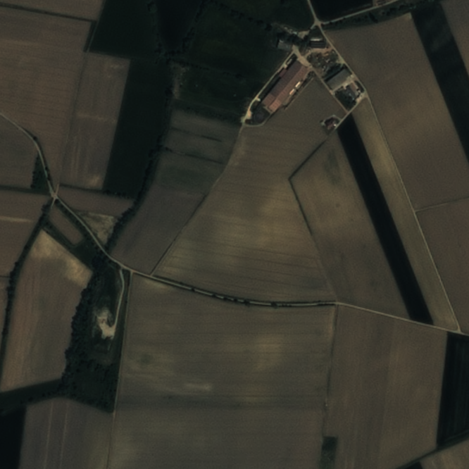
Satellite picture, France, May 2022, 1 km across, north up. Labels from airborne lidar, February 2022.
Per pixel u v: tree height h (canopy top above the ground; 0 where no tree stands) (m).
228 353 0
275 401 0
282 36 16
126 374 0
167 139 0
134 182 0
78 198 0
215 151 0
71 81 0
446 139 0
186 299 0
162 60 0
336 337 0
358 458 0
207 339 0
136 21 0
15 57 0
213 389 0
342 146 0
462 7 0
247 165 0
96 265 24
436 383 0
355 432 0
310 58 0
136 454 0
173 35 0
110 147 0
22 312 0
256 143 0
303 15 0
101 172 0
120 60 0
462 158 0
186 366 0
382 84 0
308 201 0
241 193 0
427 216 0
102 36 0
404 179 0
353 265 0
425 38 0
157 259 0
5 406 0
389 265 0
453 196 0
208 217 0
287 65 0
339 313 0
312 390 0
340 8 0
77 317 11
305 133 0
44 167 0
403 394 0
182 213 0
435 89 0
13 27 0
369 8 0
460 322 0
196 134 0
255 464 0
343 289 0
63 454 0
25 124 0
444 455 0
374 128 0
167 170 0
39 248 0
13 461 0
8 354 0
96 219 0
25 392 0
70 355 18
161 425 0
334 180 0
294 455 0
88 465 0
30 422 0
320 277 0
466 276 0
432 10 0
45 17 0
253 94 0
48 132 0
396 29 0
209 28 0
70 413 0
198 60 0
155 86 0
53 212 0
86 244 0
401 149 0
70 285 0
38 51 0
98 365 6
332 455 0
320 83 0
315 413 0
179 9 0
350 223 0
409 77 0
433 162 0
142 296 0
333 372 0
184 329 0
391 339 0
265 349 0
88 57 0
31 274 0
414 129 0
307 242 0
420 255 0
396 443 0
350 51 0
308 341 0
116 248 0
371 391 0
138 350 0
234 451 0
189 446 0
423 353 0
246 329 0
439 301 0
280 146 0
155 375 0
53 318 0
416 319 0
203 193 0
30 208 0
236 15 10
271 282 0
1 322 0
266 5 0
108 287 0
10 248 0
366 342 0
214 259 0
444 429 0
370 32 0
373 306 0
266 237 0
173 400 0
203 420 0
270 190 0
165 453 0
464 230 0
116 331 0
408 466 0
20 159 0
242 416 0
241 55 0
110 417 0
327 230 0
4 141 0
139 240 0
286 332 0
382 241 0
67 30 0
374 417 0
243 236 0
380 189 0
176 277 0
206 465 0
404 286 0
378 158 0
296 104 0
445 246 0
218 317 0
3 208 0
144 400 0
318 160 0
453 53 0
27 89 0
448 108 0
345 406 0
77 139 0
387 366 0
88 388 0
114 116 0
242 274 0
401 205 0
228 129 0
